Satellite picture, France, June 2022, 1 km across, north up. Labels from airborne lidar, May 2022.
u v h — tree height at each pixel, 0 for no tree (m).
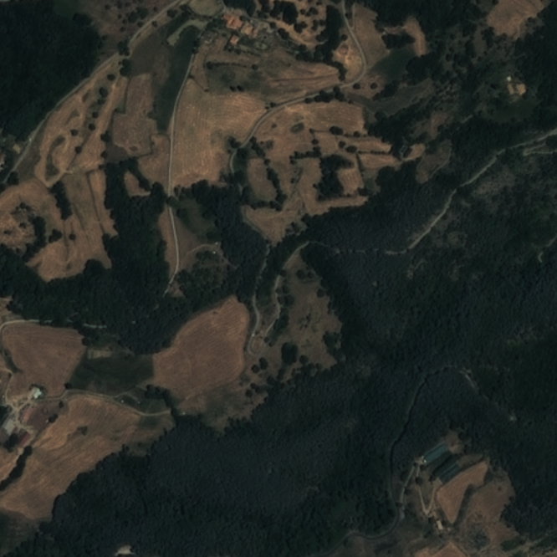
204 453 17
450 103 8
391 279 16
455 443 0
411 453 22
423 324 18
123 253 14
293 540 19
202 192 16
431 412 19
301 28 10
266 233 0
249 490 18
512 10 0
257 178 0
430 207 11
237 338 0
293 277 0
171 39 0
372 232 13
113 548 16
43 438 0
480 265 9
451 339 14
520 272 11
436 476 13
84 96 0
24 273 13
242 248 17
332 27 16
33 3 21
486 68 7
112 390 0
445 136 8
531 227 8
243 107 0
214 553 22
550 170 12
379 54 0
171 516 27
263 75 0
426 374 14
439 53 10
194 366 0
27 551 11
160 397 11
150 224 14
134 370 0
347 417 14
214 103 0
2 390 0
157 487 20
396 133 10
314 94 0
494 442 12
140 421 0
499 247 17
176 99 0
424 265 7
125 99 0
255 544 15
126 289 15
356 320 21
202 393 0
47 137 0
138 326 14
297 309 0
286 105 0
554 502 8
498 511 0
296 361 14
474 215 14
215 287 10
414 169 12
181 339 0
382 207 8
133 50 0
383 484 20
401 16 9
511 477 9
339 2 14
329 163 15
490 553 0
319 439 15
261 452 20
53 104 17
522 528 9
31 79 21
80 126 0
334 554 0
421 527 0
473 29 11
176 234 0
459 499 0
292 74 0
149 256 16
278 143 0
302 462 17
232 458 14
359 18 0
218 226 22
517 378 6
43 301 14
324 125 0
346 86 0
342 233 17
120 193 12
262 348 0
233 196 15
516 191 9
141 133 0
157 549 24
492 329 12
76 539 9
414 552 0
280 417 12
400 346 16
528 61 11
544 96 10
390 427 19
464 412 17
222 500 27
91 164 0
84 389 0
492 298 19
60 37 15
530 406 8
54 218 0
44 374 0
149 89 0
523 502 10
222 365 0
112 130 0
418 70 13
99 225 0
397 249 6
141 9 7
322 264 21
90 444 0
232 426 10
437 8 19
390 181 7
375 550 0
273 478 19
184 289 13
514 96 0
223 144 0
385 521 12
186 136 0
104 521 22
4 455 0
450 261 13
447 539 0
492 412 17
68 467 0
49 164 0
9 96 19
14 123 28
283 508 15
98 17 0
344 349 14
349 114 0
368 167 0
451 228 16
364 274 12
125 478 9
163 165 0
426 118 6
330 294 16
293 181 11
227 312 0
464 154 9
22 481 0
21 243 0
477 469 0
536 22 7
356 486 23
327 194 11
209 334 0
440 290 14
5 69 20
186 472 13
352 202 0
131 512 20
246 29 0
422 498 0
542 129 7
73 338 0
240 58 0
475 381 12
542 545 7
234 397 0
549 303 20
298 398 13
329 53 12
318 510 24
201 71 0
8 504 0
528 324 15
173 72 0
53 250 0
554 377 8
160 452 21
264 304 0
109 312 14
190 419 19
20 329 0
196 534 19
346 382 16
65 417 0
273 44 0
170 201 12
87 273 14
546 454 15
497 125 8
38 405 0
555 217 16
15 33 11
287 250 13
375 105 0
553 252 17
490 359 13
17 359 0
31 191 0
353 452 18
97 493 19
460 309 12
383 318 10
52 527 14
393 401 15
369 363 17
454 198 12
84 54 17
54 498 0
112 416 0
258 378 0
